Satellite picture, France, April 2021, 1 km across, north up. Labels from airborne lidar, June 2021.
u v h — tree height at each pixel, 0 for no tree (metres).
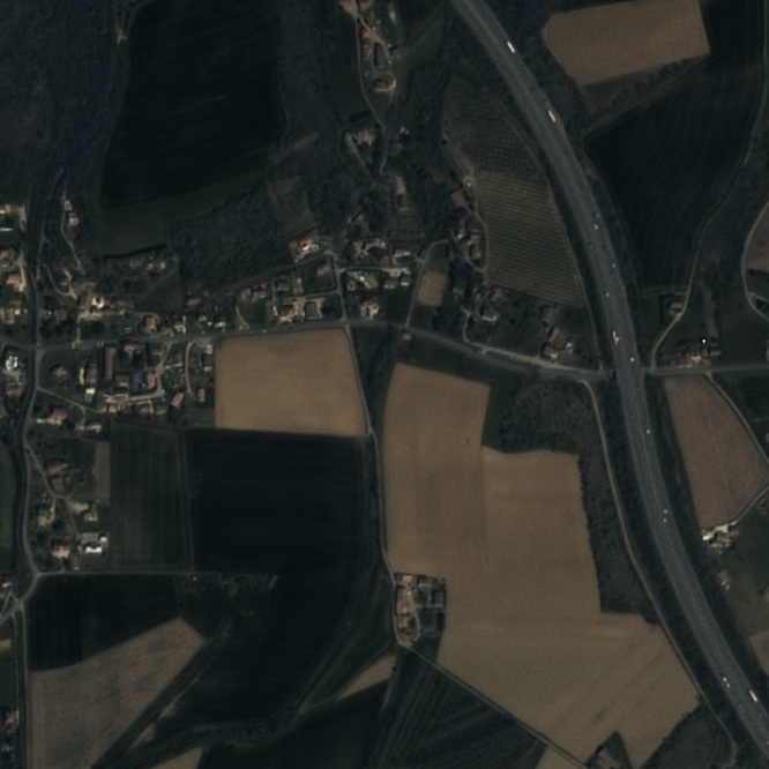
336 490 0
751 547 0
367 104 0
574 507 0
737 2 0
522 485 0
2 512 0
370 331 0
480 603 0
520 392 12
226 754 0
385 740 26
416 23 0
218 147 0
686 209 0
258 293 0
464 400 0
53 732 0
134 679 0
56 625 0
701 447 0
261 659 0
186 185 0
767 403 0
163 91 0
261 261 13
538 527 0
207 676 0
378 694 0
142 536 0
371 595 9
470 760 33
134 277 13
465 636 0
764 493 0
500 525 0
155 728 0
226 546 0
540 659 0
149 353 8
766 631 0
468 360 0
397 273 0
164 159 0
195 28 0
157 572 0
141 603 0
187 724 0
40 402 12
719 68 0
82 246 8
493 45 0
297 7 16
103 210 0
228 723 0
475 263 6
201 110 0
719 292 6
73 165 12
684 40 0
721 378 13
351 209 17
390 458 0
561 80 17
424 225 9
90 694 0
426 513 0
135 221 0
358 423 0
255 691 0
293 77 16
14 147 6
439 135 8
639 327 7
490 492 0
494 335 14
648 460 0
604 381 10
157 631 0
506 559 0
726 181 0
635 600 0
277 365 0
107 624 0
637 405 0
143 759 0
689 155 0
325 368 0
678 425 0
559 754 0
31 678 0
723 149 0
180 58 0
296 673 0
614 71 0
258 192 12
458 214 11
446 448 0
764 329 0
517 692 0
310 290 6
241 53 0
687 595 0
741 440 0
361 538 0
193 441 0
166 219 0
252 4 0
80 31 17
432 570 0
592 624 0
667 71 9
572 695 0
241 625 0
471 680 0
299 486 0
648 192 0
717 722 9
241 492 0
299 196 10
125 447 0
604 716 0
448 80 8
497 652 0
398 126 20
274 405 0
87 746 0
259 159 0
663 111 0
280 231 16
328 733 0
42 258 8
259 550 0
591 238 0
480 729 0
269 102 0
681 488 15
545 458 0
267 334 0
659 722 0
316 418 0
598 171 0
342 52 0
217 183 0
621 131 0
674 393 0
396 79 0
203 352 0
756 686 15
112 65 9
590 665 0
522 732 28
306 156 14
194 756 0
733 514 0
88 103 15
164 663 0
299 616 0
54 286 8
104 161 0
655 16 0
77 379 6
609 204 14
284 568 0
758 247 0
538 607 0
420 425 0
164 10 0
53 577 0
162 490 0
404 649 0
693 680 0
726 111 0
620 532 14
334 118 18
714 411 0
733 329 0
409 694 29
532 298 7
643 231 0
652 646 0
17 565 7
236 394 0
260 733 8
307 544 0
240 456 0
